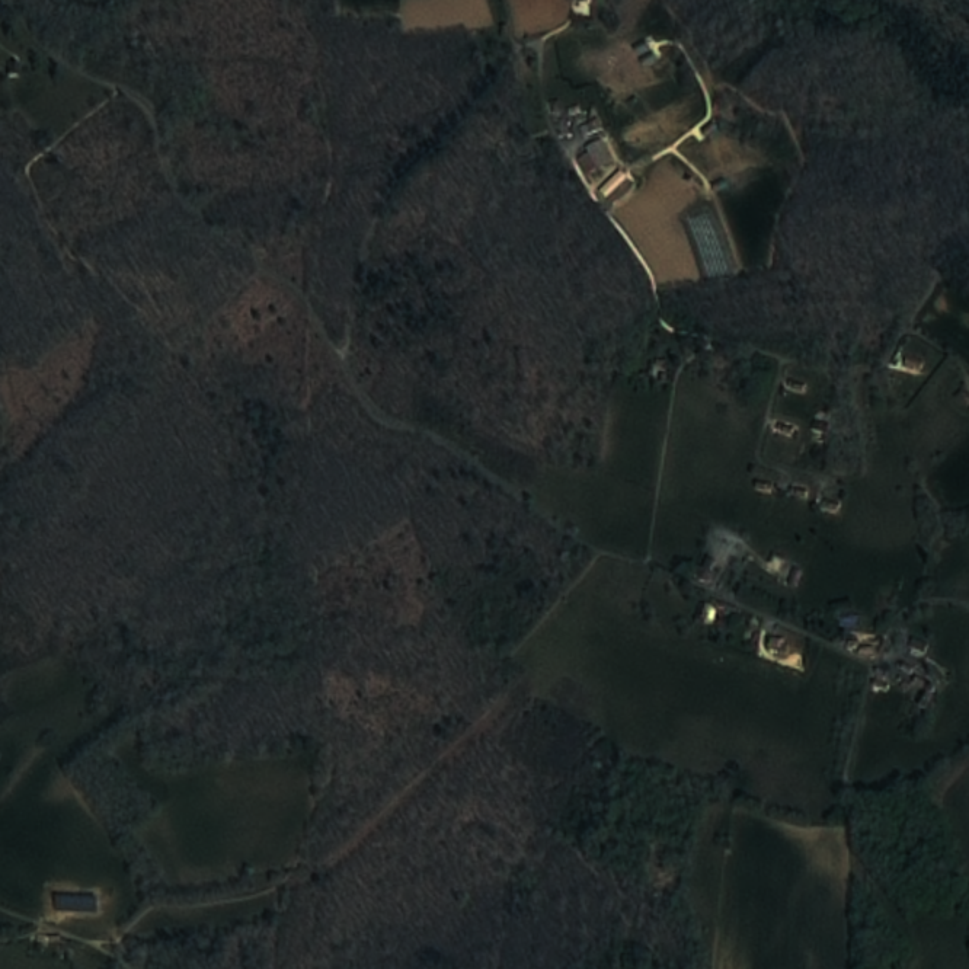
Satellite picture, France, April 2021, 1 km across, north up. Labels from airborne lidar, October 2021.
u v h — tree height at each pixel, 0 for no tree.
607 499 0
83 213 8
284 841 0
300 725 15
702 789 21
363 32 7
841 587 0
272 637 14
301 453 13
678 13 6
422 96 12
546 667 0
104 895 0
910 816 21
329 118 11
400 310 8
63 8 22
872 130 20
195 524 19
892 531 0
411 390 8
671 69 0
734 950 0
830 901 0
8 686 0
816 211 16
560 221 10
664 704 0
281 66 9
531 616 8
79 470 19
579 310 22
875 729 0
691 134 0
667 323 10
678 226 0
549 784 6
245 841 0
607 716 0
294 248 19
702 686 0
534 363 15
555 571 15
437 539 11
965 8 14
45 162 21
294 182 9
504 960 14
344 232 11
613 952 9
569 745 0
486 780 9
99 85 0
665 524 0
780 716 0
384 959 21
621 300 20
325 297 13
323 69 11
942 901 21
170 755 17
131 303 18
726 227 0
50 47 17
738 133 13
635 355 16
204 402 15
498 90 18
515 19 0
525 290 18
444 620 18
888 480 0
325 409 10
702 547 13
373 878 11
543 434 6
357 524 18
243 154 6
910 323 17
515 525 11
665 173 0
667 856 18
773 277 12
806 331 14
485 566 7
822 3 23
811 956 0
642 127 0
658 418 0
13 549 12
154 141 18
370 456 11
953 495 0
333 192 8
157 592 21
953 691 0
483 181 18
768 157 0
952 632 0
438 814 12
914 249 16
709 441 0
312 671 14
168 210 23
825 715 0
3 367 18
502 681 14
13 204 20
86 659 10
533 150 15
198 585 17
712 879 0
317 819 9
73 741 0
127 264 19
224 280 18
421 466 11
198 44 6
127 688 9
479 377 8
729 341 16
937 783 14
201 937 13
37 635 6
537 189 10
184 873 0
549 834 21
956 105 26
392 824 14
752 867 0
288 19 21
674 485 0
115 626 22
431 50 14
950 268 24
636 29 0
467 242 14
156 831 0
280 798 0
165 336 19
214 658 15
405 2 0
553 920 14
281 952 11
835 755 7
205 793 0
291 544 20
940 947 0
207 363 13
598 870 9
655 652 0
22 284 23
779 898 0
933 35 20
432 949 14
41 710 0
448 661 13
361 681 16
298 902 9
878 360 8
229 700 14
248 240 12
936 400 0
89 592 13
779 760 0
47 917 0
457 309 12
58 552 8
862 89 20
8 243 22
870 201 21
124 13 21
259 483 17
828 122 15
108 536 10
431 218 21
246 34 17
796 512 0
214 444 14
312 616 11
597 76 0
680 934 24
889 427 0
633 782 21
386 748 12
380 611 6
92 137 8
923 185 8
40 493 21
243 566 14
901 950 22
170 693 10
